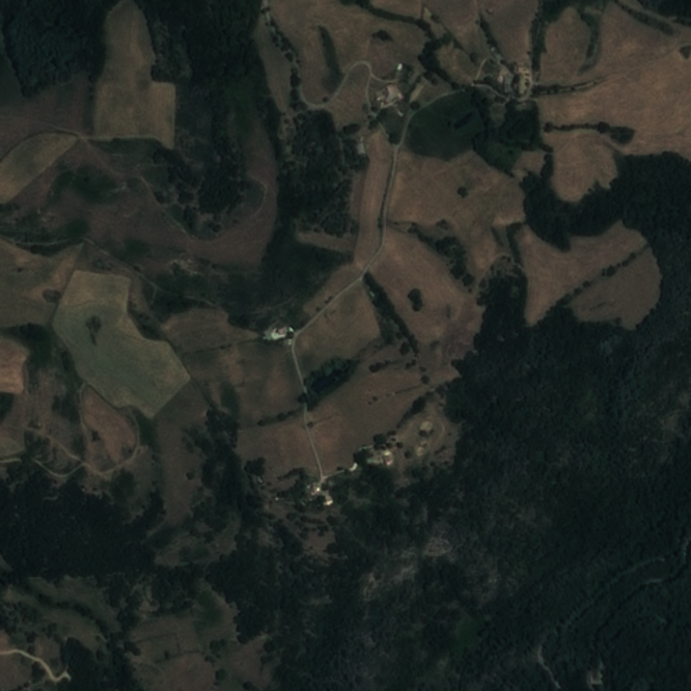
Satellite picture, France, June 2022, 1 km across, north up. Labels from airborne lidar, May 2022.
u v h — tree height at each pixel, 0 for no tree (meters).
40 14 21
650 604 19
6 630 9
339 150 7
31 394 0
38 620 11
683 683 11
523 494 9
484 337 12
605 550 20
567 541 15
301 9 0
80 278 0
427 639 14
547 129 11
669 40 0
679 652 27
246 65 13
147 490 0
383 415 0
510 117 9
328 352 0
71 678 9
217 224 6
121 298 0
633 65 0
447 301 0
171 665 0
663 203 22
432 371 0
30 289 0
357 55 0
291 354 0
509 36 0
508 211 0
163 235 0
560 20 0
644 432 7
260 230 0
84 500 11
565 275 0
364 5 19
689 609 17
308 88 0
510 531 6
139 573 7
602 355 12
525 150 13
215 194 14
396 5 0
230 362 0
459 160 0
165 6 17
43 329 16
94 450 0
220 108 14
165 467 0
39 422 0
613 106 0
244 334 0
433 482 7
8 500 14
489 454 10
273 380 0
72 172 0
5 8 22
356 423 0
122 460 0
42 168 0
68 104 0
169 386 0
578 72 0
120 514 14
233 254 0
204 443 10
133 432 0
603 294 0
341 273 0
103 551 9
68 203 0
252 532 7
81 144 0
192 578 8
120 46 0
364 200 0
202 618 0
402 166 0
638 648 19
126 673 19
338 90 0
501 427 15
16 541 20
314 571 8
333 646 9
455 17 0
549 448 10
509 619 13
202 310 0
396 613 11
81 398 0
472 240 0
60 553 14
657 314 16
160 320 0
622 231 0
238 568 12
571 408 15
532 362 17
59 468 0
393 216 0
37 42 31
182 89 0
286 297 6
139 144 0
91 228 0
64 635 0
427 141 0
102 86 0
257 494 7
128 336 0
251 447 0
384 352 0
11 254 0
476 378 15
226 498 10
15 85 0
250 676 0
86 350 0
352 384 0
